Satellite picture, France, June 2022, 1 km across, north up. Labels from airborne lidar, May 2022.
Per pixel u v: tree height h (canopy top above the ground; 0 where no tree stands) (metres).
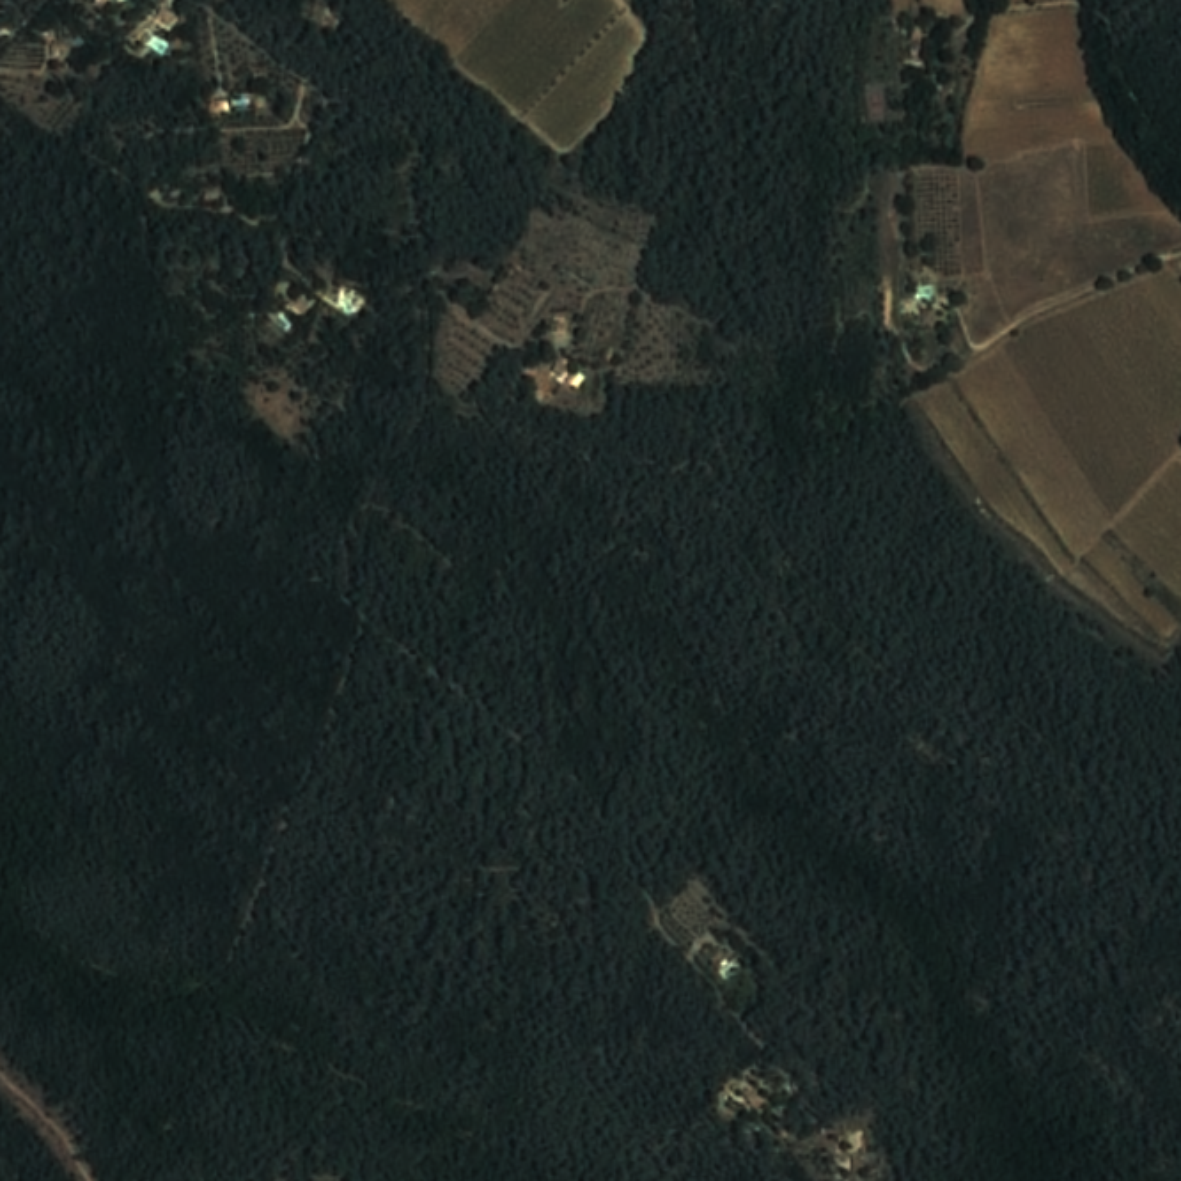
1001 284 0
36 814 9
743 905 20
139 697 6
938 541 14
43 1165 9
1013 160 0
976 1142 8
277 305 6
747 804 17
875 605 18
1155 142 12
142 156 13
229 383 19
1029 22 0
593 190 8
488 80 0
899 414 9
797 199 18
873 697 20
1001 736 20
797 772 15
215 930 7
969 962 12
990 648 19
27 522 13
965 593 18
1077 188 0
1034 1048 14
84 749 8
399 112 21
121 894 14
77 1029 19
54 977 9
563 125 0
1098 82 13
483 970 21
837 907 17
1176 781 23
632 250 0
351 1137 18
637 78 15
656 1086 18
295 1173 20
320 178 21
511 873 6
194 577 6
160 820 8
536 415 9
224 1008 13
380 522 7
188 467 18
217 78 10
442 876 21
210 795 16
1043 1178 14
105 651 8
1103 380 0
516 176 20
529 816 8
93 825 19
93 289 6
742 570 18
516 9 0
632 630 13
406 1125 7
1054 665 22
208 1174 7
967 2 9
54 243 6
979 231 0
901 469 16
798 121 20
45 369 7
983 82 0
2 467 6
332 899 17
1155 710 19
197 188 7
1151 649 0
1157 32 7
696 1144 17
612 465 19
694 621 18
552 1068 12
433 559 5
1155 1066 9
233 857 16
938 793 9
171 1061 15
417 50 24
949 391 0
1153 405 0
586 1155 8
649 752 21
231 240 21
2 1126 14
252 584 6
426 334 10
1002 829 8
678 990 16
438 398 14
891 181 0
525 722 23
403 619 17
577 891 21
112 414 16
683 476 7
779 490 15
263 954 17
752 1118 10
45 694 14
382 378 9
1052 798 16
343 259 17
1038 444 0
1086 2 16
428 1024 11
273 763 6
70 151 6
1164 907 18
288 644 7
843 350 8
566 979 15
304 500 13
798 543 22
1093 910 16
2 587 14
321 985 12
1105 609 0
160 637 7
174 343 7
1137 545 0
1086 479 0
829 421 18
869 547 21
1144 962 7
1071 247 0
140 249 13
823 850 13
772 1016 18
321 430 16
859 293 0
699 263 20
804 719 7
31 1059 16
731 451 14
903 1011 17
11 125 8
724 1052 16
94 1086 14
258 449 13
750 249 13
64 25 7
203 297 8
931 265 9
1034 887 19
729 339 25
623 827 23
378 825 17
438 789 11
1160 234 0
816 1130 7
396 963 21
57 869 11
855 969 17
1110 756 21
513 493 17
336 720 12
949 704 18
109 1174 14
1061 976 22
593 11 0
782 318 21
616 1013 9
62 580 16
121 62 15
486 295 6
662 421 18
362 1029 7
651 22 17
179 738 8
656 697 23
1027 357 0
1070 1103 9
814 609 18
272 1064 6
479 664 23
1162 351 0
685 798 22
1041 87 0
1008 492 0
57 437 7
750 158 7
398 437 16
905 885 8
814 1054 21
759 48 7
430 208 20
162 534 11
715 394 22
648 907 19
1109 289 11
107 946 12
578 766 14
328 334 11
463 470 9
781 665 18
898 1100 25
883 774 22
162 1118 8
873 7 17
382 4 17
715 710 9
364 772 10
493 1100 7
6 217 10
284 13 20
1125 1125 10
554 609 9
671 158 11
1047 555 0
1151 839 15
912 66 8
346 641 8
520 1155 19
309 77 19
